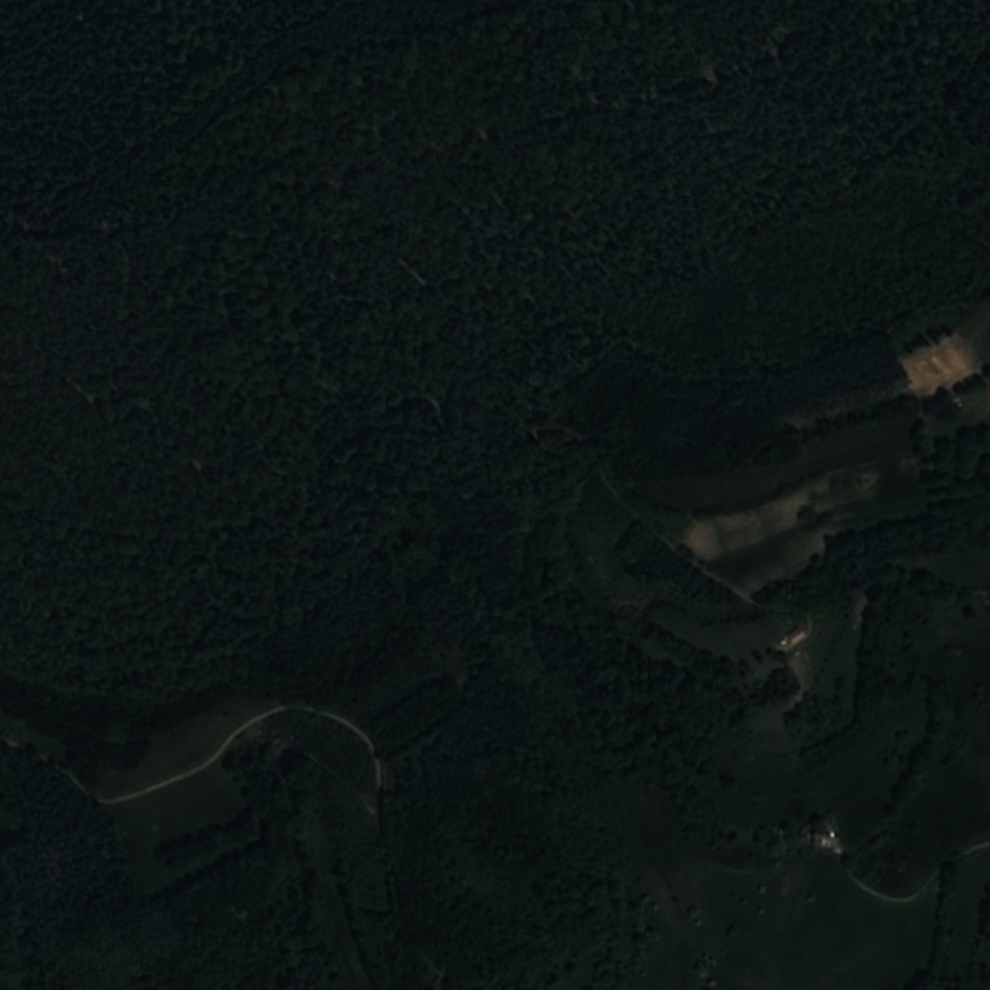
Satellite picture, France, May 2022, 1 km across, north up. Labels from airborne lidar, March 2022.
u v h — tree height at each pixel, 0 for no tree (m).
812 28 23
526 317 6
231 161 26
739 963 0
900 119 26
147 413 28
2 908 25
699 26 20
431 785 18
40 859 22
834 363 28
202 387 31
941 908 6
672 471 17
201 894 18
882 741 0
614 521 7
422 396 14
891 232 13
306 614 23
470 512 25
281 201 29
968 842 0
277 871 22
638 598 0
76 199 13
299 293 23
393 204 24
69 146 16
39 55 27
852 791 0
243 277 37
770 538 0
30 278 21
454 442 26
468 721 19
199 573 30
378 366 26
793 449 15
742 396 21
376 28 14
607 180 32
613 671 29
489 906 13
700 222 26
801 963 0
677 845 0
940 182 10
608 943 21
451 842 15
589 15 26
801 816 7
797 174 11
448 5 12
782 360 12
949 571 0
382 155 21
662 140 30
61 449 24
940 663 0
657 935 7
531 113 15
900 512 0
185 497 22
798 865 0
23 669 25
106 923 18
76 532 22
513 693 18
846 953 0
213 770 0
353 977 0
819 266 12
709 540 0
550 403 12
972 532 23
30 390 19
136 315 27
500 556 24
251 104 19
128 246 19
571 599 26
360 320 30
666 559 14
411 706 16
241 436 28
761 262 10
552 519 34
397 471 25
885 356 27
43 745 0
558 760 14
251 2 12
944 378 0
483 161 20
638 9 26
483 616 21
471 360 20
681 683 25
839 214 10
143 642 21
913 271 15
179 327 30
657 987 0
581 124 29
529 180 26
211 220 24
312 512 24
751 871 0
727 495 0
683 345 10
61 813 14
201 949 20
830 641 0
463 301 21
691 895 0
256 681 20
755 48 17
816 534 0
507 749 19
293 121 20
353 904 20
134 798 0
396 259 24
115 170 13
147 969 17
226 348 30
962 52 19
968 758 0
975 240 10
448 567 29
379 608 29
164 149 14
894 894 0
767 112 31
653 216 35
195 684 22
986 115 27
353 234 28
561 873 16
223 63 24
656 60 9
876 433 0
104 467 23
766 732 0
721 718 13
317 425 22
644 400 14
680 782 13
